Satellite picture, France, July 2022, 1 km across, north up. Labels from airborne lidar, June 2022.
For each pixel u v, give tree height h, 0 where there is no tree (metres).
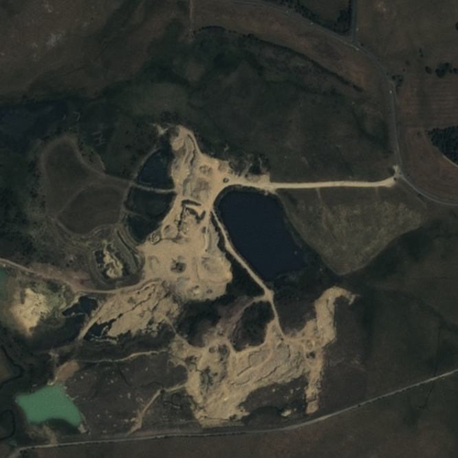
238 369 0
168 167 0
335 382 0
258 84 0
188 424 0
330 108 0
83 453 0
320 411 0
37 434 0
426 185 0
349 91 0
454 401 0
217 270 0
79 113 0
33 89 0
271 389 0
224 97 0
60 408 0
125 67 0
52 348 0
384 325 0
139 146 0
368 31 0
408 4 0
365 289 0
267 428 0
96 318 0
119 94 0
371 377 0
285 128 0
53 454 0
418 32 0
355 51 0
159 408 0
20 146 0
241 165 0
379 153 0
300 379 0
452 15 0
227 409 0
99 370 0
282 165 0
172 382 0
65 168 0
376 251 0
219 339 0
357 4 0
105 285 0
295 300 0
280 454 0
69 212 0
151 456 0
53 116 0
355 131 0
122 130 0
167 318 0
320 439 0
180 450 0
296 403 0
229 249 0
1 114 0
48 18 0
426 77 0
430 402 0
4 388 0
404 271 0
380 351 0
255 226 0
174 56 0
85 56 0
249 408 0
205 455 0
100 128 0
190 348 0
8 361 0
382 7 0
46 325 0
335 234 0
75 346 0
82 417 0
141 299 0
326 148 0
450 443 0
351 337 0
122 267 0
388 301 0
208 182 0
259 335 0
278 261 0
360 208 0
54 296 0
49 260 0
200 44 0
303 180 0
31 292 0
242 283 7
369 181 0
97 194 0
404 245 0
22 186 0
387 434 0
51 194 0
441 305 0
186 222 0
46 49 0
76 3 0
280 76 0
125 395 0
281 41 0
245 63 0
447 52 0
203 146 0
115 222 0
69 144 0
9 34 0
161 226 0
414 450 0
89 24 0
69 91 0
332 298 0
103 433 0
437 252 0
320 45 0
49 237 0
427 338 0
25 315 0
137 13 0
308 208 0
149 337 0
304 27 0
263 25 0
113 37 0
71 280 0
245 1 0
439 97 0
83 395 0
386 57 0
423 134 0
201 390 0
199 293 0
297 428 0
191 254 0
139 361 0
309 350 0
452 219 0
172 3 0
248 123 0
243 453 0
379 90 0
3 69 0
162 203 0
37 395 0
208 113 0
